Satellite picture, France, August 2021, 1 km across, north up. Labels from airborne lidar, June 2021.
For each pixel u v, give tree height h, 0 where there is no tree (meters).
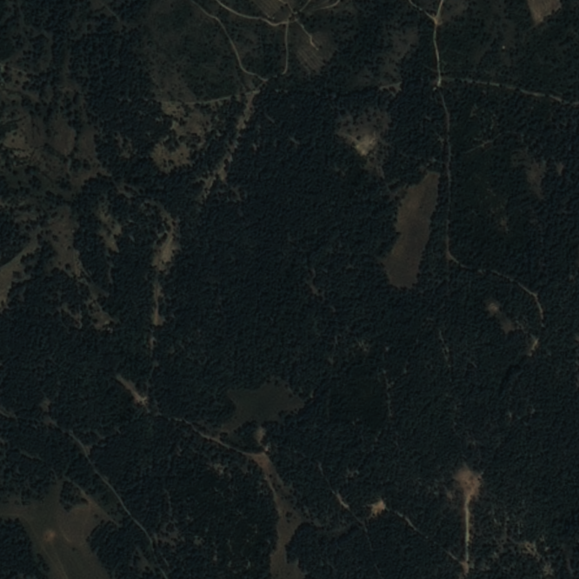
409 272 0
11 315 10
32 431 15
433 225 9
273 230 12
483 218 8
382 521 13
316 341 13
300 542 11
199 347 12
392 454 10
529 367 12
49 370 12
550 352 7
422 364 6
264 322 11
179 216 10
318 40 0
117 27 0
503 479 8
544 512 9
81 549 0
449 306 8
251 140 10
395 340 7
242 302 14
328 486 12
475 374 12
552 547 8
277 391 0
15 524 9
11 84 0
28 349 12
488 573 6
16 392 13
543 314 6
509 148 8
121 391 13
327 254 10
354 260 10
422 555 13
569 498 12
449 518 12
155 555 8
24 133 0
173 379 14
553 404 14
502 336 15
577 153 11
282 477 12
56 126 0
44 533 0
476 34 9
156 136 8
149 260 9
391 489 11
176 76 0
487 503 9
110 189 10
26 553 13
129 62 10
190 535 8
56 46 12
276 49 7
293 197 9
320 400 11
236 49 0
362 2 9
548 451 7
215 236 12
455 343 12
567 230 10
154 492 10
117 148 11
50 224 0
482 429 9
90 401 11
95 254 15
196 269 14
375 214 11
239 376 12
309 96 10
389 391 8
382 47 7
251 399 0
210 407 10
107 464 13
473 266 7
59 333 12
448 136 9
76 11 10
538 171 0
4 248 8
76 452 10
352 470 9
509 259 8
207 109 8
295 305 11
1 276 0
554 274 13
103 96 11
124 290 13
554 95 6
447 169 10
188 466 7
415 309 11
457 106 9
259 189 14
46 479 13
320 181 11
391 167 9
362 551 9
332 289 8
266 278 12
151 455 14
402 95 9
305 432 11
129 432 14
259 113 8
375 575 9
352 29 8
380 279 9
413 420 11
